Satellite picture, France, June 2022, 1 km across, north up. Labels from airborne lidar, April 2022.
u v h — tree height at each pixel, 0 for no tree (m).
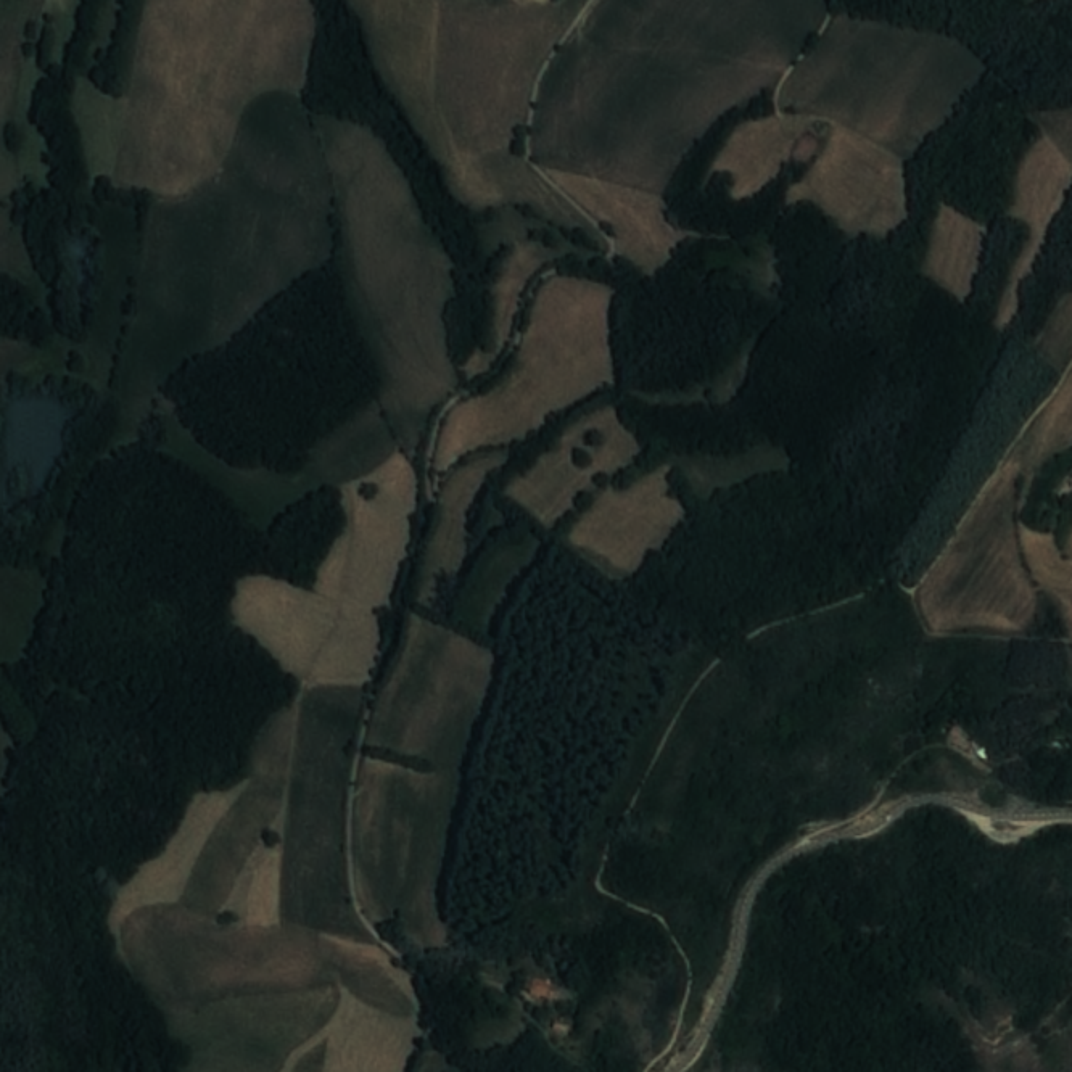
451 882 25
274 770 0
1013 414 15
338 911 0
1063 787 9
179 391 14
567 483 0
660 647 29
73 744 20
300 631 0
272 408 20
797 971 10
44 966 20
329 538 15
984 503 0
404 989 0
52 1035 16
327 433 14
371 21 0
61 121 25
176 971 0
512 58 0
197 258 0
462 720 0
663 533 0
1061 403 0
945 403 12
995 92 12
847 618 7
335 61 20
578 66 0
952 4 23
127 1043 16
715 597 12
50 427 0
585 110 0
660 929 7
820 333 20
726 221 18
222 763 8
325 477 0
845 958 15
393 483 0
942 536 11
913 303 26
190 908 0
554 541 22
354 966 0
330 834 0
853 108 0
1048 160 0
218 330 0
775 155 0
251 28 0
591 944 6
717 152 11
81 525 17
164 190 0
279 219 0
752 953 8
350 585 0
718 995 0
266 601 0
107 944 16
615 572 0
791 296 16
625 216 0
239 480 0
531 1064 17
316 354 21
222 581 19
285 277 0
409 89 0
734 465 0
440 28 0
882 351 21
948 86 0
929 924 21
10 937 20
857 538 17
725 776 9
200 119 0
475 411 0
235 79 0
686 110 0
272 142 0
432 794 0
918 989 14
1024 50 16
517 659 27
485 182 0
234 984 0
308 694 0
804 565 7
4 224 0
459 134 0
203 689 19
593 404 20
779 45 0
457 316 14
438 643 0
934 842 12
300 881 0
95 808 21
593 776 30
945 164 11
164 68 0
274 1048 0
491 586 0
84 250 0
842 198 0
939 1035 21
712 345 21
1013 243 15
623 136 0
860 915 14
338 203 10
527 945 14
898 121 0
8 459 0
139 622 17
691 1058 0
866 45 0
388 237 0
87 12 17
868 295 23
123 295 0
